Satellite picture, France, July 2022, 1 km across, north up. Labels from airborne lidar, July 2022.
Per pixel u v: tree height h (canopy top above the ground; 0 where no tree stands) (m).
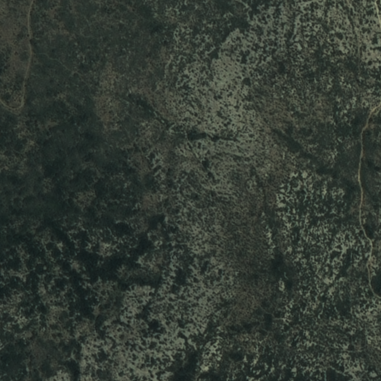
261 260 0
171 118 0
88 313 6
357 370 0
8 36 0
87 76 0
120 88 0
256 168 0
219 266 0
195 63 0
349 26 0
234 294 0
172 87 0
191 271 0
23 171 0
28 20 0
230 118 0
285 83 0
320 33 0
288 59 0
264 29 0
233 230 0
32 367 0
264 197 0
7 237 6
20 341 6
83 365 0
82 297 5
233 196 0
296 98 0
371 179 0
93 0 0
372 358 0
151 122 0
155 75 0
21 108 0
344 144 0
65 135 0
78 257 6
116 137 0
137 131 0
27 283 7
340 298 0
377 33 0
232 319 0
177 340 0
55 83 0
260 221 0
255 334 0
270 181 0
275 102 0
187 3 0
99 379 0
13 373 0
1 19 0
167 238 5
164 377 0
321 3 0
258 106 0
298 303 0
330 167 0
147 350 0
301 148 0
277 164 0
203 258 0
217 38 0
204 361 0
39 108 0
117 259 7
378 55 0
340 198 0
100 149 0
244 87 0
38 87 0
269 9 0
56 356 0
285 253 0
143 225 0
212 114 0
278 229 0
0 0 0
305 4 0
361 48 0
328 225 0
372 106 0
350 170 0
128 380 0
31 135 0
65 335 0
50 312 0
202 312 0
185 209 0
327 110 0
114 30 0
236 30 0
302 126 0
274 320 0
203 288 0
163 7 0
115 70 0
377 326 0
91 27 0
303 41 0
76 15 0
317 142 0
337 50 0
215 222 0
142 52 0
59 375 0
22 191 6
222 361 0
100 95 0
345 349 0
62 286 7
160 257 0
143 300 0
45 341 0
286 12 0
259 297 0
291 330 0
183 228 0
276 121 0
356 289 0
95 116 0
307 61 0
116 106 0
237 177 0
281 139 0
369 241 0
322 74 0
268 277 0
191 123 0
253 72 0
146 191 0
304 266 0
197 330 0
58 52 0
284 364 0
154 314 0
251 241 0
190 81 0
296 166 0
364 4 0
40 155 0
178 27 0
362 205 0
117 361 0
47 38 0
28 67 0
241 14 0
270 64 0
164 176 0
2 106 0
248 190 0
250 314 0
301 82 0
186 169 0
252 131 0
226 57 0
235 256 0
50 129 6
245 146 0
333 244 0
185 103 0
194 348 0
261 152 0
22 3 0
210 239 0
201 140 0
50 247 6
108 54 0
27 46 0
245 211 0
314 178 0
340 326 0
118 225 6
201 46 0
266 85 0
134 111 0
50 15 0
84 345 0
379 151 0
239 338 0
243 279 0
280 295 0
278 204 0
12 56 0
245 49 0
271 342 0
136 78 0
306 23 0
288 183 0
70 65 0
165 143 0
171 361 0
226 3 0
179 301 0
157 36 0
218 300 0
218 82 0
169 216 0
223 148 0
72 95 0
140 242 6
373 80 0
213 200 0
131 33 0
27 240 7
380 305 0
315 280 0
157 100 0
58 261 6
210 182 0
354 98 0
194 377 0
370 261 0
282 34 0
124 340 0
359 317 0
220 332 0
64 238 8
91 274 6
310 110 0
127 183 0
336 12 0
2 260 6
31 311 6
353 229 0
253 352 0
